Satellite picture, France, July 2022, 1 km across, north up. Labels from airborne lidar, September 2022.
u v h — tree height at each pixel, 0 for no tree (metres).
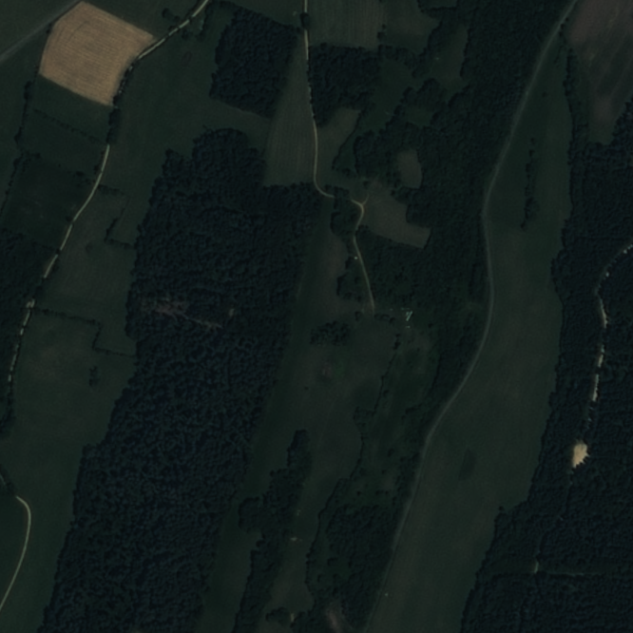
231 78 11
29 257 22
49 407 0
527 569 7
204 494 36
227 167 21
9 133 0
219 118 0
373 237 11
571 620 12
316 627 8
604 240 24
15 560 0
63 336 0
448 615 0
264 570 11
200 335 27
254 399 12
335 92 20
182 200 26
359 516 18
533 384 0
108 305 0
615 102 0
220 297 23
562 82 0
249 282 22
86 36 0
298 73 0
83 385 0
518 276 0
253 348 31
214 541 30
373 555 15
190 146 0
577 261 21
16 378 8
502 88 12
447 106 22
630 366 12
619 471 23
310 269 0
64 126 9
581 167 20
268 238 19
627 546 19
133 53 0
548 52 0
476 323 11
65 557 14
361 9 0
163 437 34
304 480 9
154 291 17
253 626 15
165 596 34
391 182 8
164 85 0
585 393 20
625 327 17
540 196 0
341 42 0
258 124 0
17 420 13
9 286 15
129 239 0
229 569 0
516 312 0
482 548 0
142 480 35
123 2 0
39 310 13
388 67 0
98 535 11
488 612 16
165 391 17
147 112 0
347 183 0
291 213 22
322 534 7
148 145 0
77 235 0
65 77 0
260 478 0
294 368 0
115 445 27
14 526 0
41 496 0
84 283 0
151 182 0
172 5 0
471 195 13
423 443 10
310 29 12
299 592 0
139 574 12
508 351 0
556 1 13
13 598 0
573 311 18
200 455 38
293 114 0
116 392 0
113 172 0
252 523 18
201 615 19
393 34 0
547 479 18
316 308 0
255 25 19
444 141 23
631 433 8
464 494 0
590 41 0
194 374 25
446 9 13
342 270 0
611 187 18
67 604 34
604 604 18
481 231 15
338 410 0
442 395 16
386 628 0
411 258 16
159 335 21
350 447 0
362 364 0
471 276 8
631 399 23
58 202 0
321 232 0
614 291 21
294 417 0
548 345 0
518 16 20
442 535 0
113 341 0
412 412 15
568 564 30
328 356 0
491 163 16
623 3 0
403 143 7
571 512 22
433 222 15
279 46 25
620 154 27
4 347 22
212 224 27
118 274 0
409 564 0
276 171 0
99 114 0
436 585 0
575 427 21
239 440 34
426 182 11
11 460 0
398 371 0
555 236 0
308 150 0
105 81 0
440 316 10
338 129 0
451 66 0
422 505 0
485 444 0
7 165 0
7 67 0
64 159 0
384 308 0
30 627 0
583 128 20
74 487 0
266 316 21
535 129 0
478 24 15
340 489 9
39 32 0
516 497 0
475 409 0
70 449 0
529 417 0
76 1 0
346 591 10
